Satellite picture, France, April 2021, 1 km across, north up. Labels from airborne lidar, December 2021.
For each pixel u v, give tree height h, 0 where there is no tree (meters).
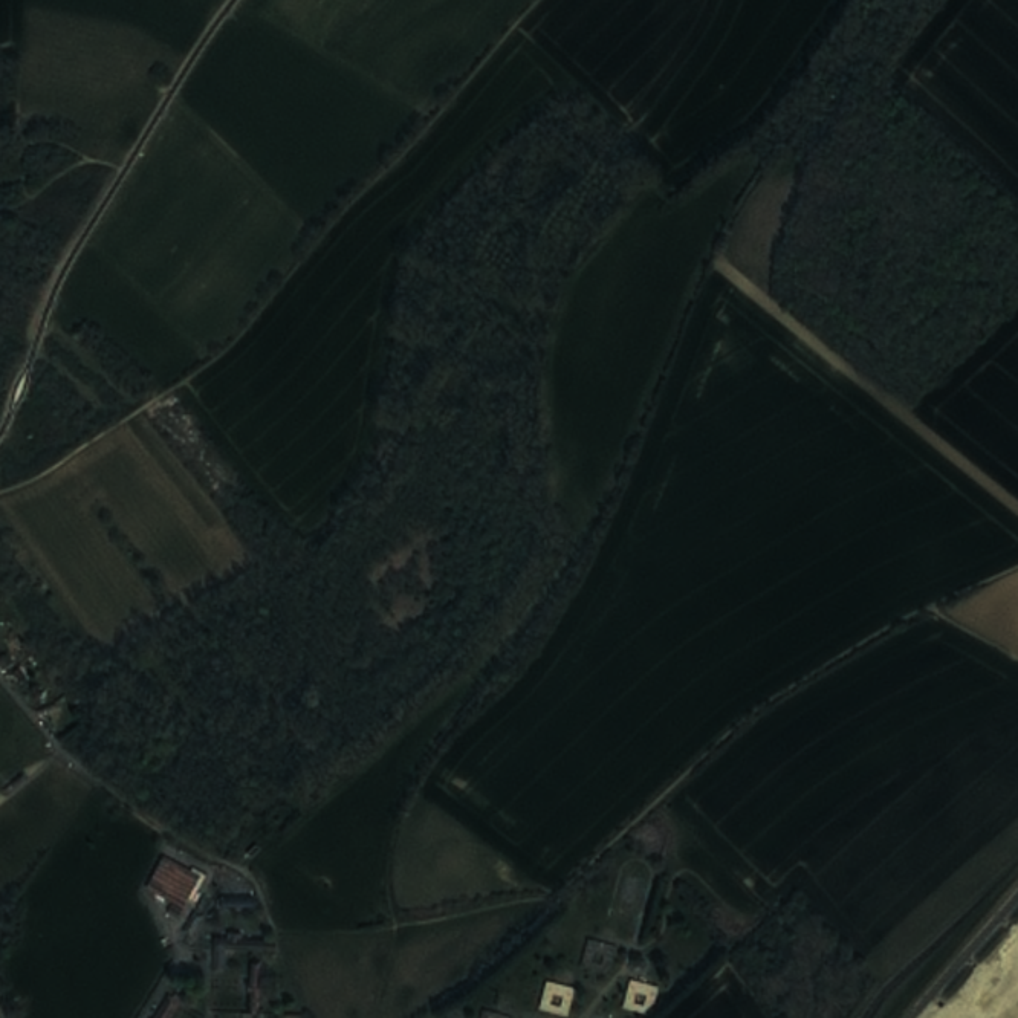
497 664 13
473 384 34
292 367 0
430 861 0
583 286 0
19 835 0
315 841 0
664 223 0
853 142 22
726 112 0
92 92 0
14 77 13
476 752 0
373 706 21
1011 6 0
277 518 13
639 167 36
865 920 0
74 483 0
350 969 0
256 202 0
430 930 0
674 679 0
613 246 0
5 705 0
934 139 19
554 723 0
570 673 0
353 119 0
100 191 0
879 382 21
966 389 0
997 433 0
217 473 0
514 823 0
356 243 0
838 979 26
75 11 0
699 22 0
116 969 0
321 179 0
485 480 18
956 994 0
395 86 0
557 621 9
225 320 0
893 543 0
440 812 0
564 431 0
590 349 0
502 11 0
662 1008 16
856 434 0
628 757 0
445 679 37
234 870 0
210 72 0
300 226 0
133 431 0
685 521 0
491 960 13
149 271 0
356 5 0
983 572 0
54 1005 0
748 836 0
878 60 8
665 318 0
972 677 0
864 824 0
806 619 0
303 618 20
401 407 37
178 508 0
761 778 0
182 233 0
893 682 0
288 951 0
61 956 0
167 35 0
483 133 0
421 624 10
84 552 0
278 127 0
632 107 0
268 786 20
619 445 0
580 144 25
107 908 0
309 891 0
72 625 0
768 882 0
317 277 0
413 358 9
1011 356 0
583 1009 7
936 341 28
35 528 0
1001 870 0
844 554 0
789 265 19
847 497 0
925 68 0
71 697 9
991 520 0
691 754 0
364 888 0
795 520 0
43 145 9
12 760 0
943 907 0
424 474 21
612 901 0
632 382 0
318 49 0
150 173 0
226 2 0
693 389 0
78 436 6
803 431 0
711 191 0
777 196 0
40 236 0
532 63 0
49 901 0
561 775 0
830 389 0
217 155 0
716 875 0
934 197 25
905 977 0
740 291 0
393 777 0
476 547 19
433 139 0
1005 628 0
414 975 0
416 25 0
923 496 0
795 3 0
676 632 0
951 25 0
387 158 17
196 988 24
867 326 20
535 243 23
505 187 17
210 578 0
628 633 0
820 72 19
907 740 0
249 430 0
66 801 0
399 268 17
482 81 0
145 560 13
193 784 26
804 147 13
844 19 22
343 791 0
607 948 0
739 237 0
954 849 0
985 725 0
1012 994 0
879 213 23
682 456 0
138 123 0
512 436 38
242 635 37
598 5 0
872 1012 0
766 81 0
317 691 28
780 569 0
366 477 21
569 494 0
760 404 0
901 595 0
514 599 34
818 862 0
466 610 22
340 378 0
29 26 0
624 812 0
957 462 0
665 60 0
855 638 0
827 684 0
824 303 11
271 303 11
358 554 20
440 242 13
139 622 23
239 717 31
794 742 0
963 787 0
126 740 39
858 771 0
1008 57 0
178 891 0
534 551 35
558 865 0
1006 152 0
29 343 0
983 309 24
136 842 0
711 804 0
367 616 17
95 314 0
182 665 33
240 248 0
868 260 19
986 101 0
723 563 0
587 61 0
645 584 0
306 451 0
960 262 27
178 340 0
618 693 0
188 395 0
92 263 0
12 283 16
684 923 16
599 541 10
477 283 32
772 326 0
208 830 27
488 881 0
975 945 0
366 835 0
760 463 0
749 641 0
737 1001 0
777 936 7
